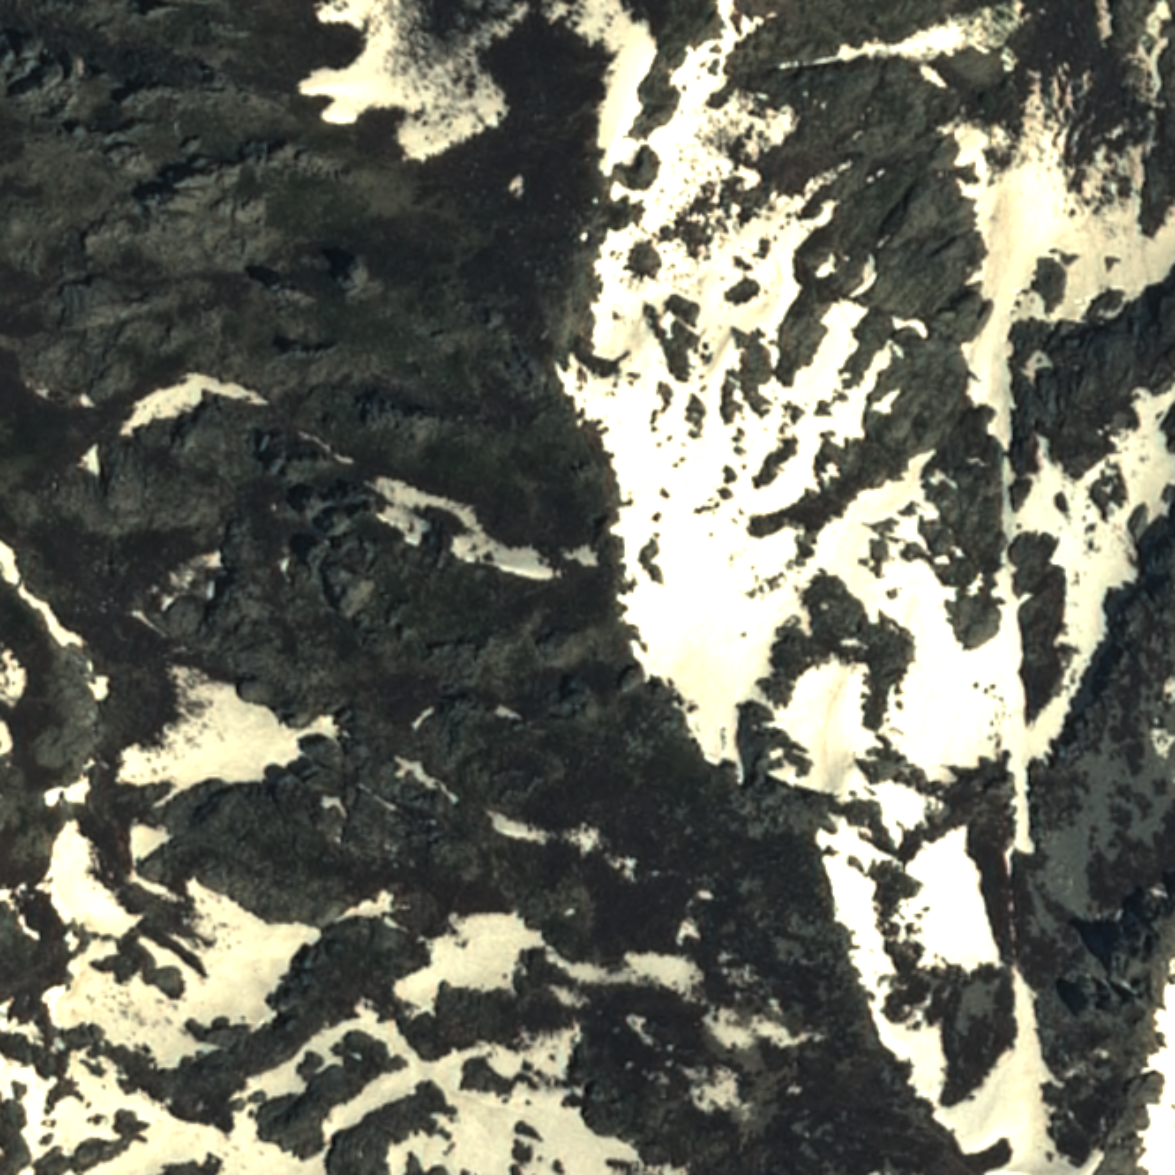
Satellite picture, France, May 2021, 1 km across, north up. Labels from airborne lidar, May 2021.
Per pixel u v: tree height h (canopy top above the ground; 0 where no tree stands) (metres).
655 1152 0
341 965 0
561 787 0
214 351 0
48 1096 0
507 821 0
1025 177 0
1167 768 0
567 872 0
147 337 0
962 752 0
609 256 0
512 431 0
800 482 0
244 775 0
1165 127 6
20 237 0
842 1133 0
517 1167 0
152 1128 0
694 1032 0
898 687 0
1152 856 0
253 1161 0
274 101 0
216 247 0
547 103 0
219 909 0
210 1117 0
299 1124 0
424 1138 0
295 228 0
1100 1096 0
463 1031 0
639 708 0
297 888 0
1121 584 0
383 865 0
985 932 0
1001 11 10
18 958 0
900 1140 0
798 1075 0
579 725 0
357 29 0
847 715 0
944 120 9
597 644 0
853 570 0
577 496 0
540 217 0
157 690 0
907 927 0
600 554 0
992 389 0
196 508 0
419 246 0
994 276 0
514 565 0
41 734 0
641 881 0
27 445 0
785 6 9
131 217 0
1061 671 0
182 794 0
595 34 0
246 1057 0
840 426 0
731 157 0
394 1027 0
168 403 0
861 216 0
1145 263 0
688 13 0
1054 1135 0
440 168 0
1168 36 0
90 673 0
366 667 0
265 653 0
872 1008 0
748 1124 0
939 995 0
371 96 0
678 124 0
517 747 0
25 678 0
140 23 0
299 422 0
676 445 0
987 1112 0
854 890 0
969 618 0
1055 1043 0
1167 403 0
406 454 0
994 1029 0
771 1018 0
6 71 0
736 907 0
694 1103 0
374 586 0
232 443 0
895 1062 0
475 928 0
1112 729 0
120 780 0
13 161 0
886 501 0
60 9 0
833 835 0
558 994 0
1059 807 0
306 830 0
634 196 0
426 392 0
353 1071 0
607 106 0
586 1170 0
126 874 0
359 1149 0
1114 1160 0
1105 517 0
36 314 0
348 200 0
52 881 0
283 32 0
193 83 0
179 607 0
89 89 0
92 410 0
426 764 0
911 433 0
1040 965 0
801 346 0
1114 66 7
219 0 0
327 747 0
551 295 0
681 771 0
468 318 0
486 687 0
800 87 0
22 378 0
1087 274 0
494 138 0
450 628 0
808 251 0
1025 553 0
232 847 0
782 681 0
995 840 0
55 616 0
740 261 0
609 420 0
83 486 0
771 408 0
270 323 0
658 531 0
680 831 0
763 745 0
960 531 0
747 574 0
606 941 0
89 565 0
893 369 0
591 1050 0
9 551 0
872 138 0
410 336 0
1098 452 0
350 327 0
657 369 0
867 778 0
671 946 0
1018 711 0
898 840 0
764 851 0
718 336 0
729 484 0
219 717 0
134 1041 0
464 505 0
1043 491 0
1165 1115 0
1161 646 0
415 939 0
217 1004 0
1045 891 0
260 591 0
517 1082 0
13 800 0
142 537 0
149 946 0
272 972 0
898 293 0
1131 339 0
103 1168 0
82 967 0
